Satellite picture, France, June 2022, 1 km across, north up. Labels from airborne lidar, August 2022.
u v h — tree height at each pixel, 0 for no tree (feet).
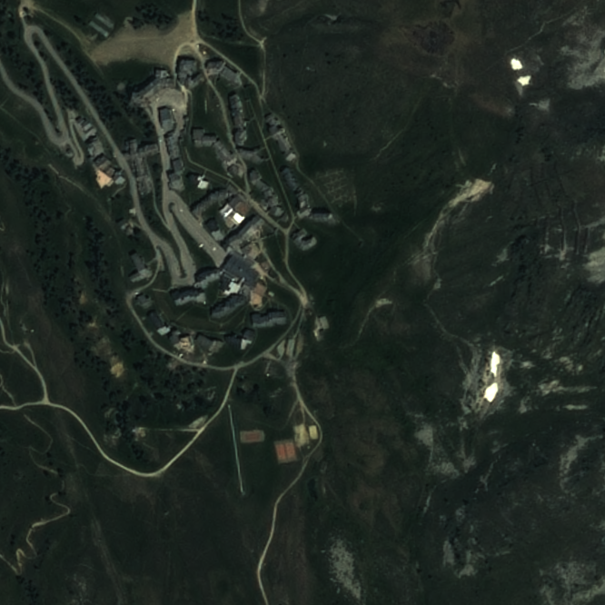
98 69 0
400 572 0
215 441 0
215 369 0
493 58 0
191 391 39
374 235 0
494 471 0
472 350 0
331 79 0
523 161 0
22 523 0
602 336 0
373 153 0
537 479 0
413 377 0
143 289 0
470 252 0
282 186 0
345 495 0
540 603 0
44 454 0
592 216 0
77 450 0
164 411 0
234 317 0
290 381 0
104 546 0
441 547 0
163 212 0
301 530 0
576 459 0
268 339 0
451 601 0
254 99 0
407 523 0
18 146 0
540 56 0
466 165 0
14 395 0
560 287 0
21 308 0
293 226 0
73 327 59
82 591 0
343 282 0
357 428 0
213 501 0
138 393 0
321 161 0
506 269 0
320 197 0
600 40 0
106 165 0
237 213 0
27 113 0
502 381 0
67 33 0
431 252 0
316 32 0
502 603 0
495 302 0
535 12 0
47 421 0
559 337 0
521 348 0
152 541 0
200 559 0
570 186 0
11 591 0
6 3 47
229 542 0
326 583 0
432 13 0
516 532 0
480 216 0
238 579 0
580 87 0
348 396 0
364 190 0
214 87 0
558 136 0
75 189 0
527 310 0
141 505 0
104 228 0
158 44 0
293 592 0
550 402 0
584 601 0
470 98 0
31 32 0
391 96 0
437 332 0
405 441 0
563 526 0
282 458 0
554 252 0
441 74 0
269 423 0
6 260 0
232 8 0
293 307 0
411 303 0
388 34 0
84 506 0
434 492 0
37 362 0
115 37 0
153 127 45
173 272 0
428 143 0
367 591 0
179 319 0
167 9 0
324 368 0
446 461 0
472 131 0
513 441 0
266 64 0
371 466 0
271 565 0
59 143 0
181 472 0
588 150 0
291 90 0
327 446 0
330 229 0
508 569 0
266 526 0
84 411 0
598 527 0
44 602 0
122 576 0
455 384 0
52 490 0
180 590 0
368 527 0
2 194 0
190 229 0
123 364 0
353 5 0
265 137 0
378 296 0
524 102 0
